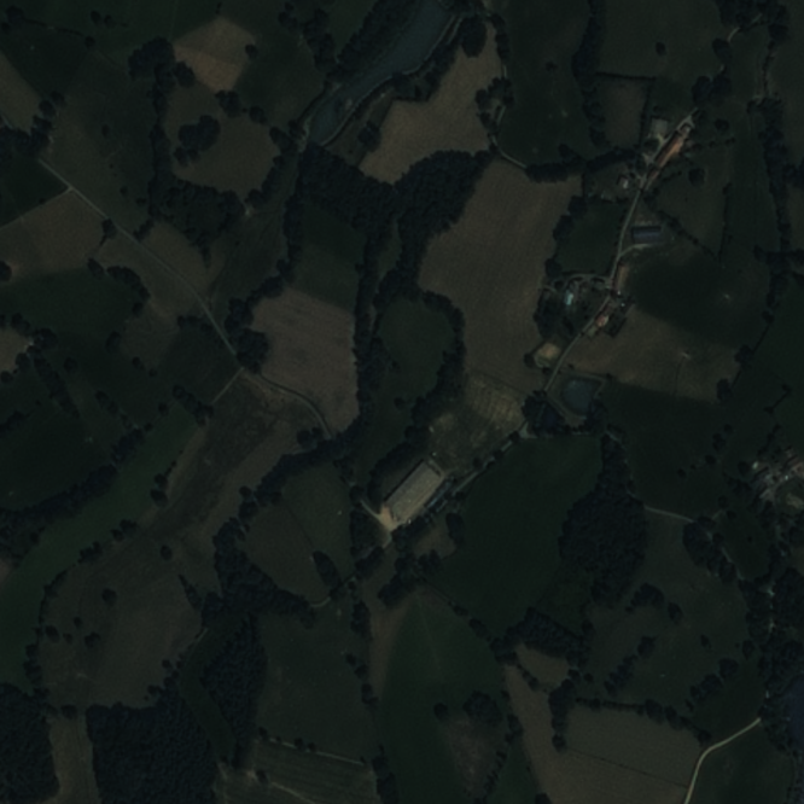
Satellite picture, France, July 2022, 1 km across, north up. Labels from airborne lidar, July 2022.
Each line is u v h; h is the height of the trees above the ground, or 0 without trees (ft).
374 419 39
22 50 0
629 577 74
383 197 64
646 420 0
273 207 0
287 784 0
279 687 0
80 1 0
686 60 0
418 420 60
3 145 80
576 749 0
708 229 0
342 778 0
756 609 66
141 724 80
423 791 0
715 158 0
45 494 0
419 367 0
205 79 0
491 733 0
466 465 0
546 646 65
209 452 0
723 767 0
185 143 59
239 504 0
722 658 0
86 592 0
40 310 0
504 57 69
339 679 0
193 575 0
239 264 0
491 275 0
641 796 0
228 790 0
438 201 71
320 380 0
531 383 0
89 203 0
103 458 0
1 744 81
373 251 63
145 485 0
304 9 0
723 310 0
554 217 0
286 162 54
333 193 47
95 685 0
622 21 0
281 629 0
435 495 0
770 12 79
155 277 0
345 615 0
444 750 0
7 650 0
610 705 21
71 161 0
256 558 0
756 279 0
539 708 0
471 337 0
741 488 69
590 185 21
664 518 0
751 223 0
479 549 0
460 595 0
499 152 50
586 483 0
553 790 0
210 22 0
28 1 0
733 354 0
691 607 0
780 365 0
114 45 0
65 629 0
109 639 0
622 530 79
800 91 0
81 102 0
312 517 0
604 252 0
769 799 0
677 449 0
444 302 59
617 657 0
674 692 0
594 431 76
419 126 0
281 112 0
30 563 0
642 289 0
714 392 0
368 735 0
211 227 0
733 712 0
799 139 0
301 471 49
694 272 0
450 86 0
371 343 45
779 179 60
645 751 0
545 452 0
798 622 62
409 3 58
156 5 0
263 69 0
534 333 0
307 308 0
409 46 0
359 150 0
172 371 0
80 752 0
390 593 67
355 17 0
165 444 0
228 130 0
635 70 0
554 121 0
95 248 0
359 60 63
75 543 0
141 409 0
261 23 0
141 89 0
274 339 0
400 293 47
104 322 0
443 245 0
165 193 40
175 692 63
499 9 0
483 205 0
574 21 0
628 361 0
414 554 67
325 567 66
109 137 44
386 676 0
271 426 0
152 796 77
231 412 0
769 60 19
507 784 0
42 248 0
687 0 0
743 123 0
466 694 0
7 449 0
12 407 0
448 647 0
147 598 0
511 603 0
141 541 0
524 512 0
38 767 78
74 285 0
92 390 0
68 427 0
